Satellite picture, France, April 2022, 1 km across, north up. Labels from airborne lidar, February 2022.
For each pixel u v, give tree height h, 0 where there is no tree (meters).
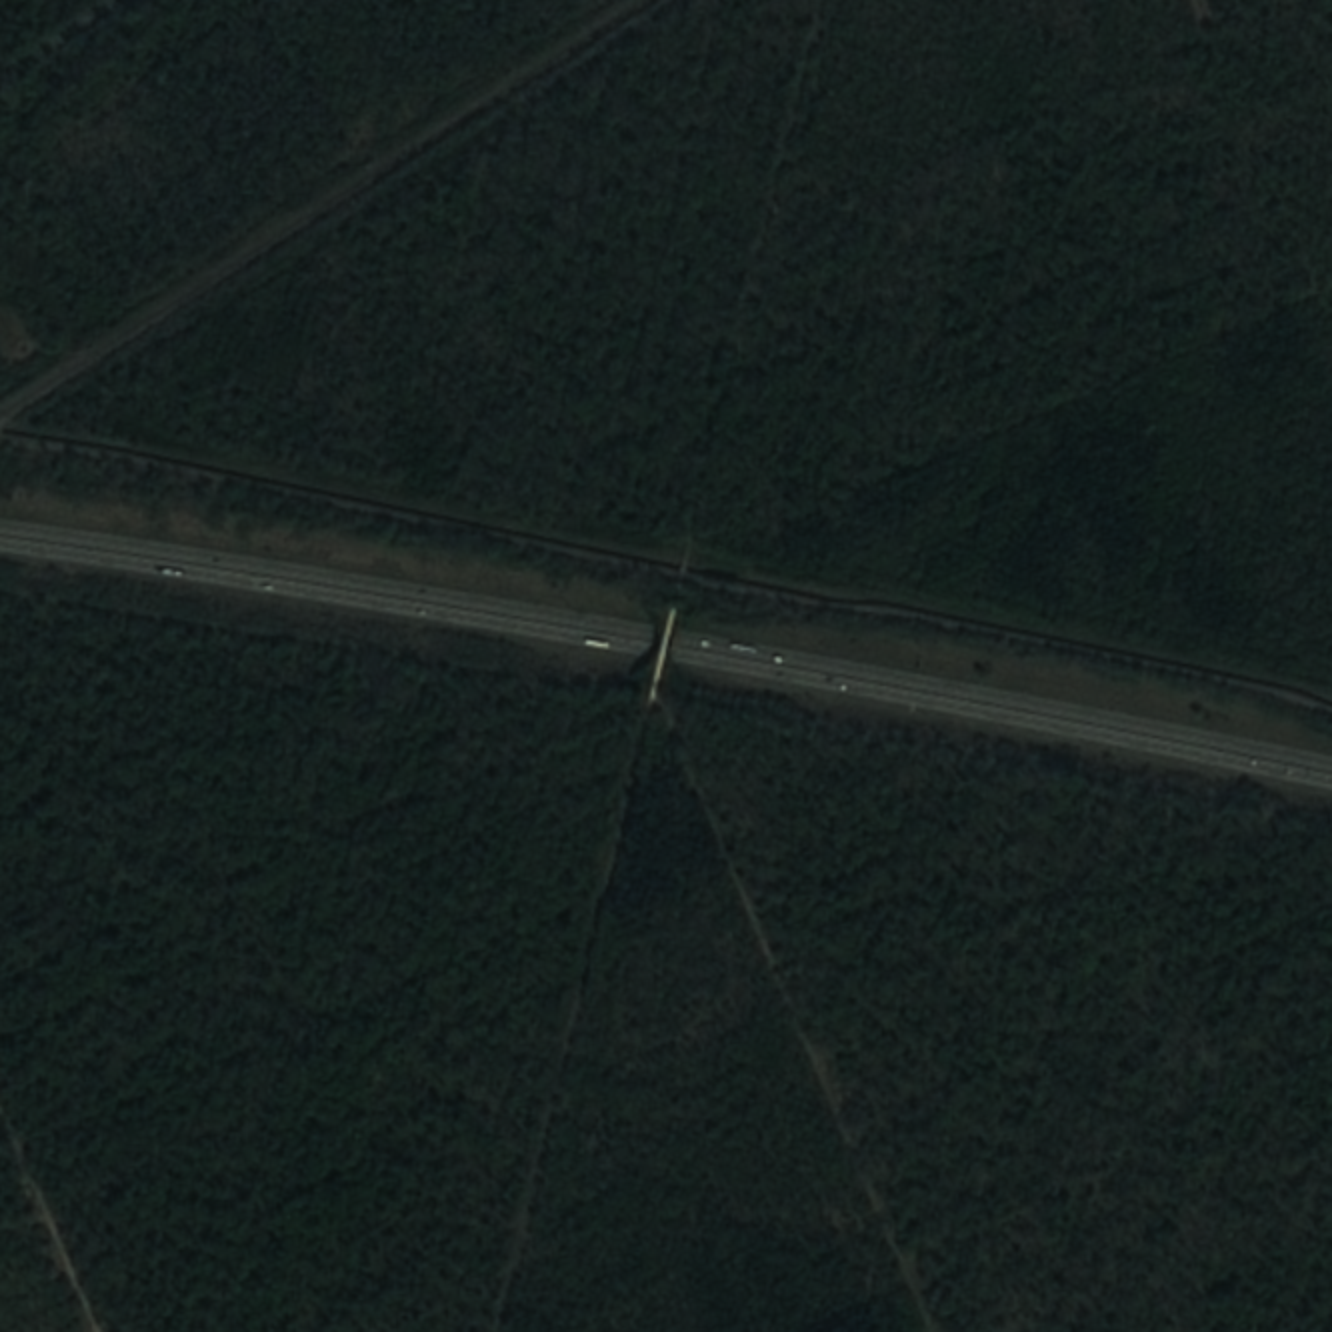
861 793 15
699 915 10
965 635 6
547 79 7
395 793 14
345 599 0
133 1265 13
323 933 17
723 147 19
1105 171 17
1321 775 0
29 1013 14
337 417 17
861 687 0
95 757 13
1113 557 17
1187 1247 17
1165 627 6
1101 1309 14
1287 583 10
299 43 16
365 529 5
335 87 15
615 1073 7
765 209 16
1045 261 16
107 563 0
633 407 21
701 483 16
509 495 24
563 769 17
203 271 10
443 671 14
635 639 0
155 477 11
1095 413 14
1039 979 13
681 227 17
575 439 19
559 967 15
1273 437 9
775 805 17
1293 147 11
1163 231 18
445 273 19
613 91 20
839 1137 8
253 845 19
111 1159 14
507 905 16
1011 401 15
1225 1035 15
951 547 6
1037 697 0
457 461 9
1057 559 11
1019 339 17
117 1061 19
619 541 0
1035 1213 16
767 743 17
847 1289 10
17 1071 17
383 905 18
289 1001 13
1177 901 18
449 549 11
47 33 15
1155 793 12
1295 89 15
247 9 13
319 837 18
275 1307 17
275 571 0
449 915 20
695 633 0
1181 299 19
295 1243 19
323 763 17
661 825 16
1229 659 8
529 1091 16
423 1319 15
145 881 14
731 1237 12
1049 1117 12
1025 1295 17
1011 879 13
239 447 13
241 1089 14
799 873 12
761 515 16
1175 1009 14
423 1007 13
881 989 19
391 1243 15
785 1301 11
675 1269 11
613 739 17
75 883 17
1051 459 11
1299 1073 16
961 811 17
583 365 18
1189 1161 19
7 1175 18
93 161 10
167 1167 17
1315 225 13
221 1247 18
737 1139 10
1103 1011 14
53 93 9
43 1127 15
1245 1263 17
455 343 12
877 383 18
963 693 0
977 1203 16
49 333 10
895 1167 16
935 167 15
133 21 16
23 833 18
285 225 0
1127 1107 13
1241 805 12
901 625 7
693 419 15
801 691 0
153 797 14
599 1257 9
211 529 0
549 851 19
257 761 20
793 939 16
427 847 17
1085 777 13
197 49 10
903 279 18
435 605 0
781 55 11
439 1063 15
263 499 16
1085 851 16
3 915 15
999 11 10
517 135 15
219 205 18
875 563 8
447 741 17
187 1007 17
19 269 8
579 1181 10
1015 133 19
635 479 19
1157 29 10
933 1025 17
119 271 17
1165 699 0
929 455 14
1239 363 14
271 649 6
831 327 14
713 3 15
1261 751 0
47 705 12
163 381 13
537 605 0
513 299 16
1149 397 14
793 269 15
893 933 17
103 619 15
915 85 7
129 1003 16
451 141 7
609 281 15
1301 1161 18
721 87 18
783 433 18
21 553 0
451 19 18
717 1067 10
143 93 6
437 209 17
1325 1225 14
